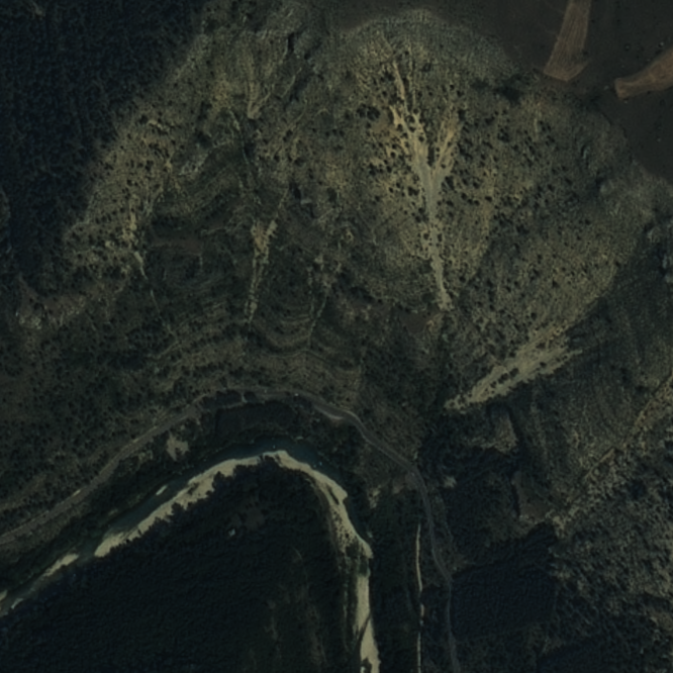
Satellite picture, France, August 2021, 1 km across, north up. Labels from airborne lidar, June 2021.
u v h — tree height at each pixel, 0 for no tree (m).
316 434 15
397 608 18
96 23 21
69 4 23
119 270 10
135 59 8
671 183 0
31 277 14
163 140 0
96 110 14
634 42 0
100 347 7
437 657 8
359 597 0
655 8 0
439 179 0
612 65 0
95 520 19
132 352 6
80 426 7
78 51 16
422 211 11
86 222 12
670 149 0
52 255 12
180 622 12
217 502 19
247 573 8
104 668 8
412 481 0
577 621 12
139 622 11
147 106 0
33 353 8
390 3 0
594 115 0
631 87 0
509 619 18
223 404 13
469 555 10
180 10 9
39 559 14
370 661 0
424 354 7
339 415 0
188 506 0
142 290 8
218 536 8
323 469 0
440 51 0
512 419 12
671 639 7
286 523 11
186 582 10
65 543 18
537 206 8
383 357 7
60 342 8
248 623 10
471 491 12
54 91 8
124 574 9
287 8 0
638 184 0
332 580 15
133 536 0
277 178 16
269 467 28
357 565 0
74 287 10
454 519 14
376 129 0
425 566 8
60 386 7
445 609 12
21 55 24
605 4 0
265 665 8
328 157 0
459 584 13
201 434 7
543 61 0
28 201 16
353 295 10
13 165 23
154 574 10
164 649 9
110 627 10
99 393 11
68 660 8
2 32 23
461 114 13
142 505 0
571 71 0
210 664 9
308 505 16
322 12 0
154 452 10
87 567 6
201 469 0
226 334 6
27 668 8
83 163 9
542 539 13
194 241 0
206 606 8
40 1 21
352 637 6
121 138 0
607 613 8
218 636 11
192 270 9
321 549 19
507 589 16
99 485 8
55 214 15
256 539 10
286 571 6
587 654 14
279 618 7
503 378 6
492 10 0
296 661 7
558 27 0
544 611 16
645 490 12
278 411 17
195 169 28
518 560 16
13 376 11
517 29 0
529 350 0
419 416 6
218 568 10
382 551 18
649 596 12
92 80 18
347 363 9
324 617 8
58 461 13
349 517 0
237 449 0
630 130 0
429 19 0
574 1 0
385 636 19
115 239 8
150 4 18
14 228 14
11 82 21
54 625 10
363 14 0
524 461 15
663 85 0
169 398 7
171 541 16
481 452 13
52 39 23
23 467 7
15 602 0
